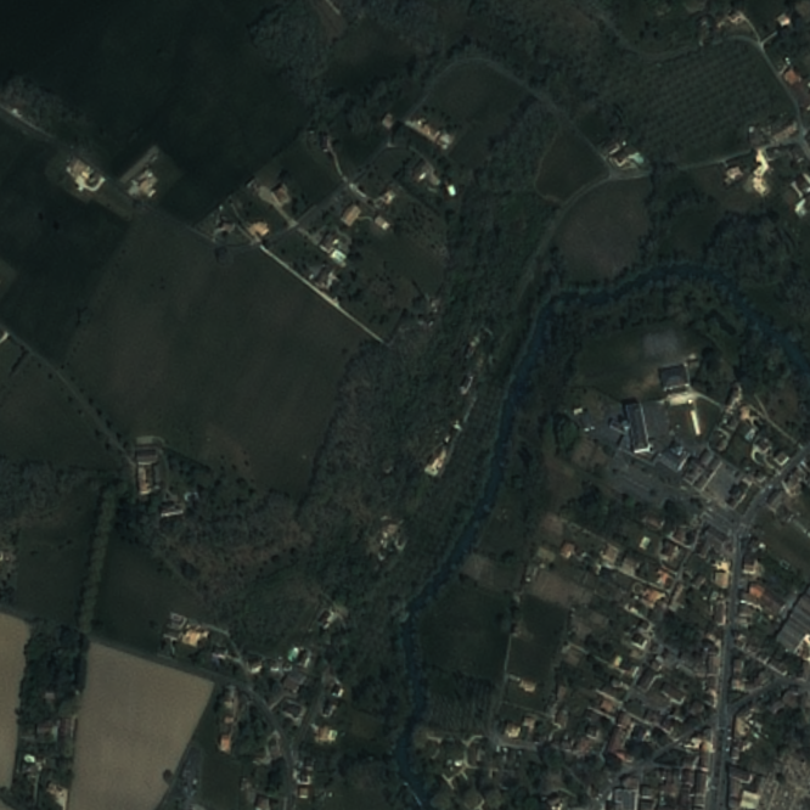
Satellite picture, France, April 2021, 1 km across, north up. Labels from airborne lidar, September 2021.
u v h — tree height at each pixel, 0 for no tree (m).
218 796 0
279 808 14
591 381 0
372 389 6
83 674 20
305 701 12
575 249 0
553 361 22
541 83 11
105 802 0
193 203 0
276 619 10
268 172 0
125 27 0
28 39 0
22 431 0
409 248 0
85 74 0
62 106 14
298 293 0
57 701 17
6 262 0
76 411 0
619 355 0
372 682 0
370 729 0
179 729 0
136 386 0
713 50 13
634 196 0
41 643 8
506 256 12
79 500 0
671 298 18
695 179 0
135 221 0
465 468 11
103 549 14
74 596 0
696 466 0
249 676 0
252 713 8
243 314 0
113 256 0
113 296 0
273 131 0
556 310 21
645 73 10
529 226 7
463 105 0
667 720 0
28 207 0
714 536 0
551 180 0
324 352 0
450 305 18
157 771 0
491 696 25
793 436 7
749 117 14
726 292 13
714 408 0
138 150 0
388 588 14
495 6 15
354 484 19
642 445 0
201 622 0
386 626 11
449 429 20
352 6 10
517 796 31
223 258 17
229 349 0
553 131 18
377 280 7
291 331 0
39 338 0
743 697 7
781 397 20
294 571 8
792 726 14
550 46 15
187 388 0
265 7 0
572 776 17
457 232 0
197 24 0
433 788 13
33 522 10
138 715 0
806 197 12
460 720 28
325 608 6
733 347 0
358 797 0
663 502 0
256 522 18
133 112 0
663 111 14
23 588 0
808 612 0
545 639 0
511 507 0
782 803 0
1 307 0
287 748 0
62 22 0
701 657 10
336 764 13
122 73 0
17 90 14
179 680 0
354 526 25
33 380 0
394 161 0
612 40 12
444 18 0
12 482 17
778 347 10
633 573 0
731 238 22
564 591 0
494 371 16
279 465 0
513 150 22
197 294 0
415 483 24
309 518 17
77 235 0
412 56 0
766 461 8
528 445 9
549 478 15
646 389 0
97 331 0
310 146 8
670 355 0
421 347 17
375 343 6
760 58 0
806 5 0
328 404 0
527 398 20
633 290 9
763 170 0
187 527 16
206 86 0
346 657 13
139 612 0
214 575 8
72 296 0
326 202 0
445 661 0
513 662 0
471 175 9
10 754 0
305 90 22
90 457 0
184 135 0
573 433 29
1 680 0
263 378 0
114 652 0
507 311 16
